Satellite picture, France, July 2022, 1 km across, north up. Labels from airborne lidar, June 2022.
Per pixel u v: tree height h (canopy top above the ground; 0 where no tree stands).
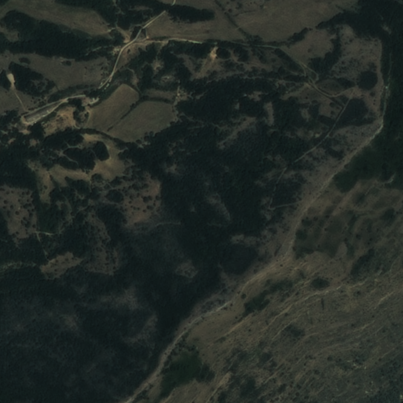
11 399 10
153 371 0
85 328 7
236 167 6
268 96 8
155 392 0
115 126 0
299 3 0
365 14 7
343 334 0
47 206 0
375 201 0
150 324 0
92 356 6
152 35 0
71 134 14
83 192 11
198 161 8
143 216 0
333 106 6
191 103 8
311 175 0
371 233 0
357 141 0
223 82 8
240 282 0
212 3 0
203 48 11
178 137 10
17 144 6
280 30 0
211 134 11
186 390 0
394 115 10
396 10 9
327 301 0
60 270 0
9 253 6
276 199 7
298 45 0
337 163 0
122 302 0
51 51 9
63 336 9
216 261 6
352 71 0
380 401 7
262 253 0
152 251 6
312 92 0
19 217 0
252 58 0
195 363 0
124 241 7
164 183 10
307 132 0
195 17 10
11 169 8
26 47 7
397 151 0
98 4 12
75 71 0
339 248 0
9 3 0
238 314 0
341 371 0
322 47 0
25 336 5
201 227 10
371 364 0
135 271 6
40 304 5
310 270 0
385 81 5
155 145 10
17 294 10
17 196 0
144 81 9
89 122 0
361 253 0
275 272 0
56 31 6
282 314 0
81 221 6
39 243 9
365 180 0
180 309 7
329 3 0
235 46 10
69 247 8
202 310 0
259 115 7
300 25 0
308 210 0
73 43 12
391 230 0
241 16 0
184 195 7
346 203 0
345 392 0
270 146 6
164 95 0
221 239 7
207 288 6
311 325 0
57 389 7
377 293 0
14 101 0
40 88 6
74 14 0
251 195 11
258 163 8
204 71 0
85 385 6
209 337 0
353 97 0
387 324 0
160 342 6
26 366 6
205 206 6
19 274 10
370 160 0
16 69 11
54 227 8
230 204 8
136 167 7
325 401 0
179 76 8
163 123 0
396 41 9
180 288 7
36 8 0
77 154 13
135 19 8
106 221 9
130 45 0
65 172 0
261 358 0
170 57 8
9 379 8
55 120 0
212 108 7
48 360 6
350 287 0
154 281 8
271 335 0
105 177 0
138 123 0
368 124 0
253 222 8
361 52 0
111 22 7
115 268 6
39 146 11
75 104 11
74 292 6
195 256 9
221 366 0
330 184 0
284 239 0
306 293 0
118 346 10
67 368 6
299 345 0
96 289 9
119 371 6
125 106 0
